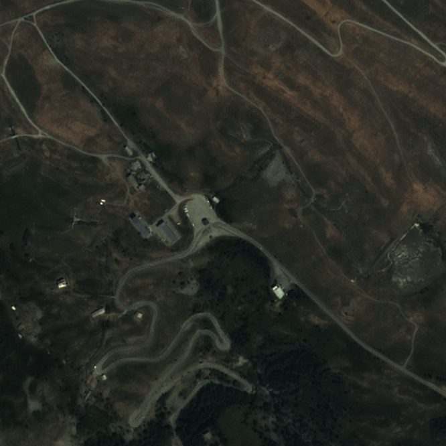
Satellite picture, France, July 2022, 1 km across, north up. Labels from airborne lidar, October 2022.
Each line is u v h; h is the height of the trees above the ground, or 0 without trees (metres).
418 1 0
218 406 24
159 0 0
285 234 0
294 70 0
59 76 0
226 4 0
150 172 0
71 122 0
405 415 0
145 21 0
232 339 9
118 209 0
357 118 0
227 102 0
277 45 0
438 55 0
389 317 0
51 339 0
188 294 0
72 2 0
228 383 8
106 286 0
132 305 0
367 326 0
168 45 0
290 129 0
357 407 0
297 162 0
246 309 0
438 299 0
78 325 0
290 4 0
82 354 0
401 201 0
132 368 0
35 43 0
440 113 0
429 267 0
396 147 0
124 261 0
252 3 0
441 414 0
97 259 0
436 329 0
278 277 0
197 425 13
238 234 0
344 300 0
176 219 0
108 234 0
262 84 0
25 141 0
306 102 0
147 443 23
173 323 0
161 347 0
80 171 0
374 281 0
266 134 0
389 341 0
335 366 0
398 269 0
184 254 0
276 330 0
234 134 0
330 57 0
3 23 0
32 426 0
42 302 0
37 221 0
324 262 0
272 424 11
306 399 0
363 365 0
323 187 0
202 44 0
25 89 0
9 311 0
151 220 0
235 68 0
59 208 0
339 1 0
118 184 0
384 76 0
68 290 0
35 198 0
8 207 0
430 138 0
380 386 0
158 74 0
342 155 0
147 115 0
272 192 0
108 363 0
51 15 0
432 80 0
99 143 0
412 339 0
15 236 0
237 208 0
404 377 0
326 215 0
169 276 0
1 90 0
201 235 0
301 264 0
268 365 6
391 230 0
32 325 0
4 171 0
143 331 0
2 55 0
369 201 0
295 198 0
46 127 0
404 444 0
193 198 0
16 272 0
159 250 0
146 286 0
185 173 0
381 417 0
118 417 6
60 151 0
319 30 0
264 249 0
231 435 0
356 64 0
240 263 0
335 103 0
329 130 0
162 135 0
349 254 0
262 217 0
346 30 0
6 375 0
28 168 0
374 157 0
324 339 0
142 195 0
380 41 0
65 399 0
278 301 0
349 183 0
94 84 0
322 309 0
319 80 0
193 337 0
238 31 0
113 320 0
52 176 0
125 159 0
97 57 0
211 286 7
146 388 0
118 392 0
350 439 0
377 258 0
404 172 0
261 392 0
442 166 0
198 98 0
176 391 0
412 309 0
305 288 0
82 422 11
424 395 0
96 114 0
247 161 0
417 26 0
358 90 0
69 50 0
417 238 0
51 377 0
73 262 0
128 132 0
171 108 0
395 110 0
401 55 0
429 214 0
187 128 0
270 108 0
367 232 0
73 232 0
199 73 0
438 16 0
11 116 0
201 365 0
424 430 0
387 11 0
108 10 0
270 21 0
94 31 0
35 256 0
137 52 0
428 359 0
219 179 0
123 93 0
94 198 0
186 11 0
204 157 0
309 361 6
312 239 0
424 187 0
